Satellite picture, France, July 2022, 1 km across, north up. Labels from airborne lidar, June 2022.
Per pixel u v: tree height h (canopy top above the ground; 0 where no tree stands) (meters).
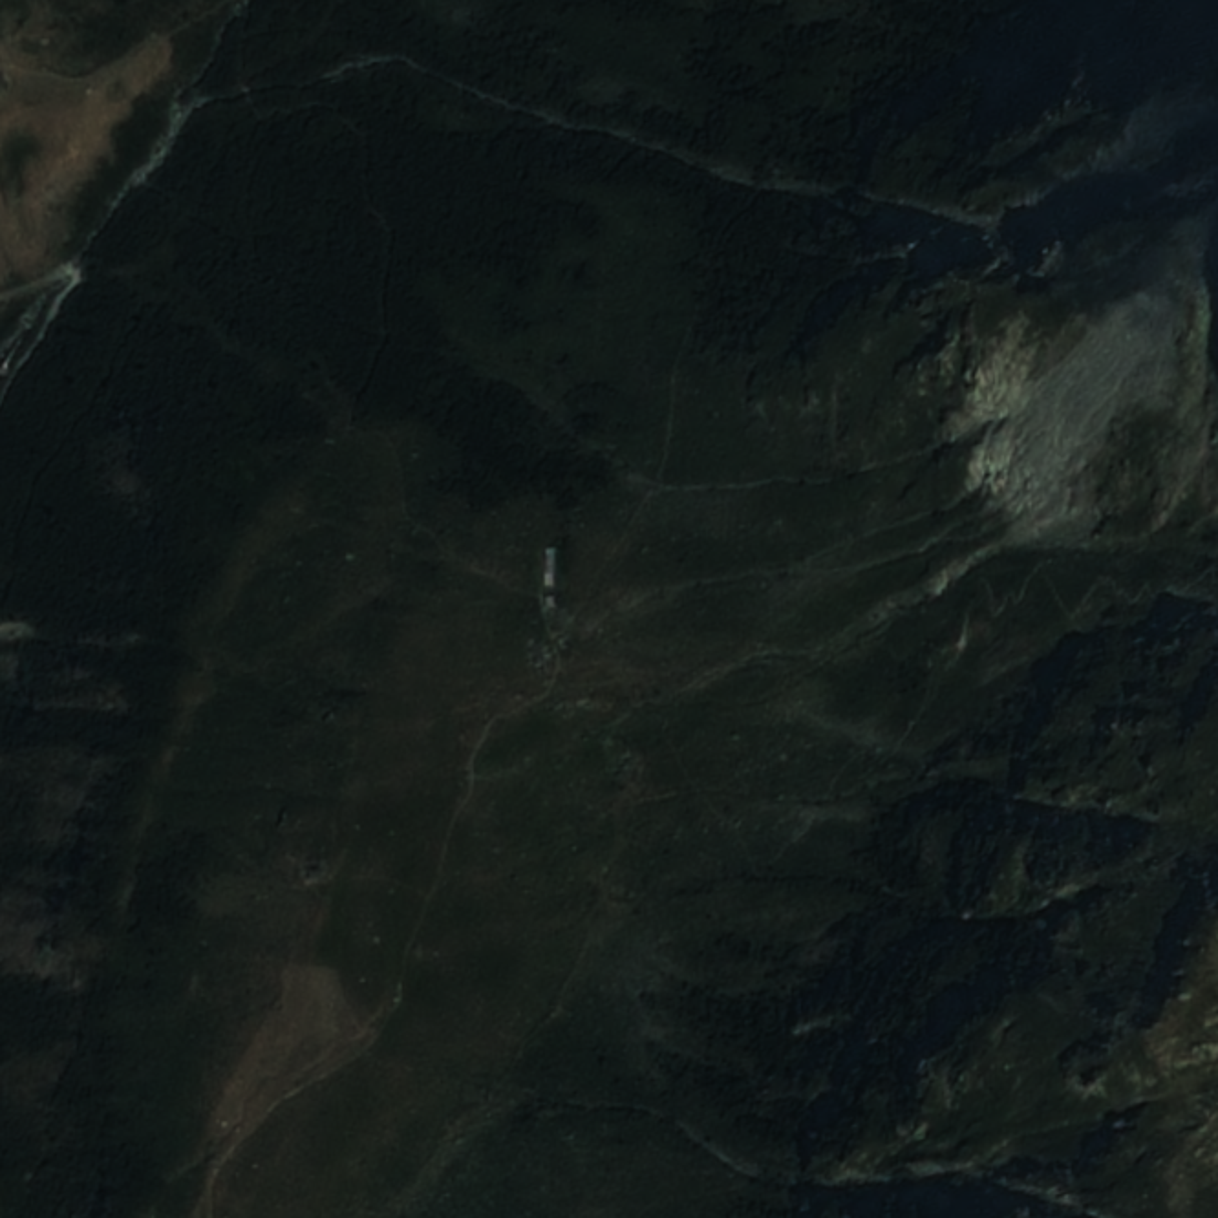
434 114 0
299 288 6
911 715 0
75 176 0
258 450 0
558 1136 0
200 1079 0
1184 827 0
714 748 0
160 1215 0
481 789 0
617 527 0
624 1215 0
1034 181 0
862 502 0
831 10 0
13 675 0
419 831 0
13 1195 0
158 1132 0
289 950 0
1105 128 0
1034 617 0
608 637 0
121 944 0
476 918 0
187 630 0
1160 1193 0
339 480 0
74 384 7
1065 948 0
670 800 0
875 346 0
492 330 0
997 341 0
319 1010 0
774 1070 6
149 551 7
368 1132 0
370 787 0
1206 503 0
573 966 0
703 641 0
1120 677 0
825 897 0
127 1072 0
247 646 0
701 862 0
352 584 0
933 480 0
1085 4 0
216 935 0
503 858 0
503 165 6
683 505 0
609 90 0
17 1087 0
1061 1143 0
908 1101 6
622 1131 0
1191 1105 0
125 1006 0
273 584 0
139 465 6
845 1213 8
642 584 0
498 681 0
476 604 0
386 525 0
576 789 0
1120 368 0
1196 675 0
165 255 0
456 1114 0
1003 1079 0
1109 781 0
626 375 0
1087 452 0
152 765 0
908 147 0
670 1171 0
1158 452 0
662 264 0
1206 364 0
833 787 0
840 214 16
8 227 0
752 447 0
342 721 0
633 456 0
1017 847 0
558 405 0
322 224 0
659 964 0
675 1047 0
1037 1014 0
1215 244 0
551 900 0
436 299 0
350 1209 0
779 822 0
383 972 0
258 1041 0
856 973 7
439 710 0
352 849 0
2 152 0
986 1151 0
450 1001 0
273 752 0
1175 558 0
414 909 0
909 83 6
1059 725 0
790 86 0
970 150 6
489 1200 0
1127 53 6
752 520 0
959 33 5
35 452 9
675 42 0
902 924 0
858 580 0
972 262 12
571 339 0
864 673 0
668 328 0
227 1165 0
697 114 0
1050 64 9
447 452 0
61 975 0
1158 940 0
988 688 0
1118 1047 0
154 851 0
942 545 0
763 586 0
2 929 0
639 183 0
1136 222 0
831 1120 12
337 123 0
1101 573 0
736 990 0
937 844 0
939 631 0
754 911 0
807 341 11
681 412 0
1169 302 0
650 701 0
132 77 0
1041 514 0
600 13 0
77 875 8
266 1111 0
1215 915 0
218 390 8
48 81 0
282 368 0
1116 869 0
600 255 0
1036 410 0
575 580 0
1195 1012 0
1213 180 0
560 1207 0
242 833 0
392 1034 0
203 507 0
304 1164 0
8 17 0
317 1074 0
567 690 0
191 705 0
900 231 8
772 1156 0
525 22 0
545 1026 0
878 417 0
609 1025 0
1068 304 0
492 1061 0
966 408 0
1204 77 0
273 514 0
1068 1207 0
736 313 6
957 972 0
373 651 0
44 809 0
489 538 0
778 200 6
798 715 0
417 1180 0
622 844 0
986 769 0
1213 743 0
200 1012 0
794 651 0
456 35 0
